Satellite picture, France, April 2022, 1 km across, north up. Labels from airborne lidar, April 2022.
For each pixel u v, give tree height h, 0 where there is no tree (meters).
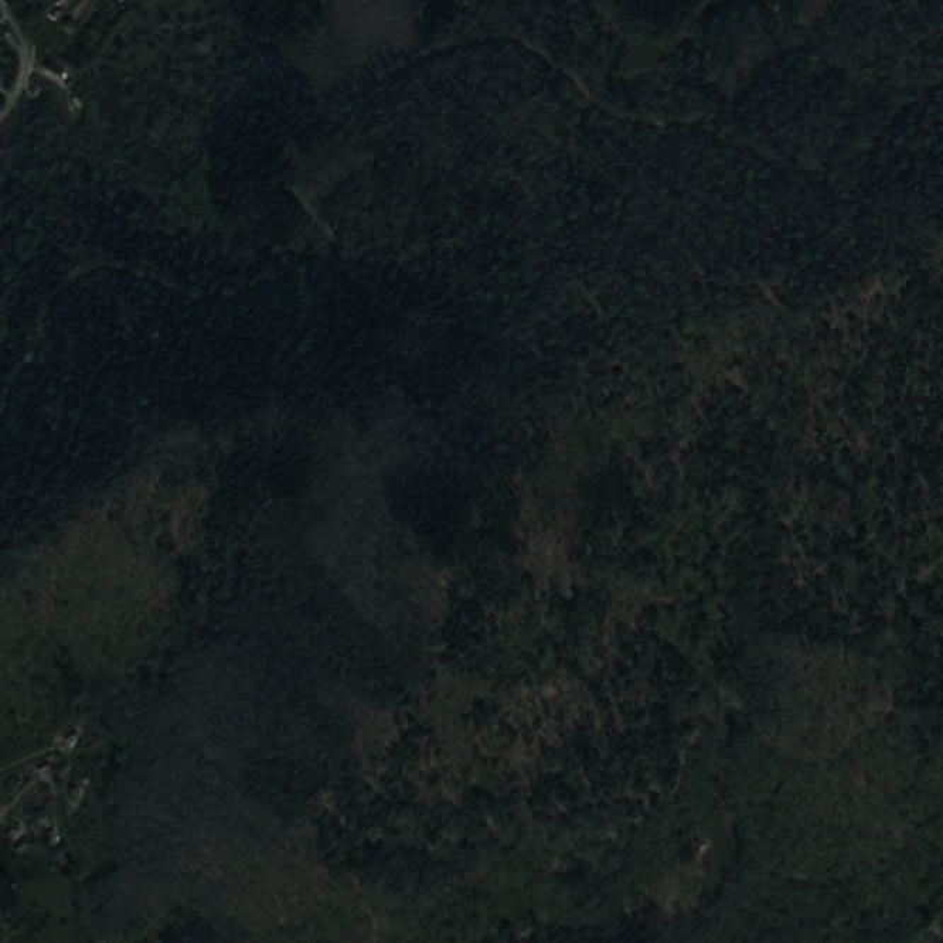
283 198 22
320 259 22
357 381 22
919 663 9
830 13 14
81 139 13
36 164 12
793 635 21
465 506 26
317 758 25
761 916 19
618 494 26
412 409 11
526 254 12
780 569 19
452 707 19
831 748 10
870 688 21
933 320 21
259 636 26
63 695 20
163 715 23
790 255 31
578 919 24
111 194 24
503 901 0
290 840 22
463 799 18
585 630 24
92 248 14
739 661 12
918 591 33
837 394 16
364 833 6
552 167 15
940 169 19
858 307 22
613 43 14
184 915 13
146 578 21
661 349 26
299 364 28
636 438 23
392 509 11
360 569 16
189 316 25
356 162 16
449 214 24
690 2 30
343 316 33
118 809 13
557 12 11
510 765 17
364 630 22
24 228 12
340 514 15
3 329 15
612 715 13
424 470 14
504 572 20
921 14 8
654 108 25
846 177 30
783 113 17
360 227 24
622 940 25
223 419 19
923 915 25
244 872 14
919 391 9
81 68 12
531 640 21
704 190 27
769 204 21
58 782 13
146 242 26
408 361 36
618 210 25
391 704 19
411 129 22
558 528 20
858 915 14
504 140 23
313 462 21
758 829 18
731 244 19
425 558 12
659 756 27
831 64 16
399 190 18
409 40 0
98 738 9
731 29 26
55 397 17
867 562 32
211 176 13
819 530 14
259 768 15
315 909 22
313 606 23
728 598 20
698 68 23
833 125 27
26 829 0
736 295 19
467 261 21
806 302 18
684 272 27
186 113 14
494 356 18
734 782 17
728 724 8
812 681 15
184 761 17
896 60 23
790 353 22
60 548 23
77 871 17
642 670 9
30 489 19
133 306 9
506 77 19
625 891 19
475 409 19
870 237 29
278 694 23
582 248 14
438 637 19
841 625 23
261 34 18
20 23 13
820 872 18
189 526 19
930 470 25
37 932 7
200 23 9
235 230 8
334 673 19
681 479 23
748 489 25
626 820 17
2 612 20
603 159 20
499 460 21
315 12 10
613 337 21
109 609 23
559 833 24
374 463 15
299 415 31
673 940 24
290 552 27
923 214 19
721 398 25
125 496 22
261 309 25
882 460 23
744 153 21
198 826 15
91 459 19
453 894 29
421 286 7
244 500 32
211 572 26
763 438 15
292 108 28
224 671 16
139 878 14
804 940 20
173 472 18
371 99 10
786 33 20
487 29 14
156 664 23
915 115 25
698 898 0
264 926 18
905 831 20
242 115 32
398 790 15
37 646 18
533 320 15
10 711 23
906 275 20
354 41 0
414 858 28
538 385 20
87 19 0
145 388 26
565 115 23
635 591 21
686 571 19
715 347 25
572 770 24
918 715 26
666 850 24
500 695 17
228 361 29
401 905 28
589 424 19
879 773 27
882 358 8
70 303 17
